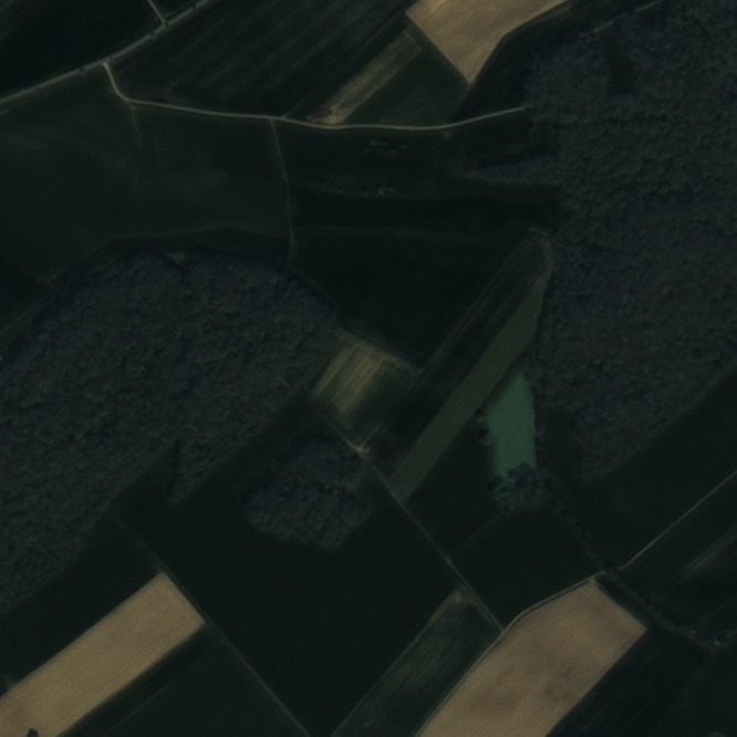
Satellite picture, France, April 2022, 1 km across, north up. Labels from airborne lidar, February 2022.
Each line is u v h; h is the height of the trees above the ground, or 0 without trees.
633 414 33
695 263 33
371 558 0
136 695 0
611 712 0
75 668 0
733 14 31
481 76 0
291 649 0
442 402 0
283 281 21
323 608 0
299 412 0
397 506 0
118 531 0
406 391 0
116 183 0
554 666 0
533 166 27
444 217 0
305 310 38
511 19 0
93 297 31
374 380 0
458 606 0
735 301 34
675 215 32
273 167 0
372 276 0
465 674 0
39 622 0
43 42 0
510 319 0
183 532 0
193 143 0
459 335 0
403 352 0
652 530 0
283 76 0
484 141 0
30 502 32
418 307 0
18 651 0
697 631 0
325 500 37
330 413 0
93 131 0
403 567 0
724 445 0
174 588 0
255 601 0
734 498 0
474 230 0
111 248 0
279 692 0
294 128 0
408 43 0
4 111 0
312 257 0
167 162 0
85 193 0
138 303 37
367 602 0
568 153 29
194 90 0
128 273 28
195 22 0
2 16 0
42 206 0
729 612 0
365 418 0
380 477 0
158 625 0
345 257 0
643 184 27
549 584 0
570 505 0
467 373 0
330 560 0
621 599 0
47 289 0
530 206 0
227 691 0
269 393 30
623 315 33
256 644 0
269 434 0
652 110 25
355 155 0
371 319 0
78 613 0
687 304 36
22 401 25
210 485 0
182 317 31
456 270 0
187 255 0
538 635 0
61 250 0
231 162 0
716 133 28
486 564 0
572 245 30
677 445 0
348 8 0
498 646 0
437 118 0
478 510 0
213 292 31
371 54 0
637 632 0
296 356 28
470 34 0
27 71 0
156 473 0
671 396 33
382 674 0
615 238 29
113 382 31
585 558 0
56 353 36
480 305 0
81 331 38
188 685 0
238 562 0
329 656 0
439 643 0
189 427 31
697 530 0
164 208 0
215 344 33
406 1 0
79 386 33
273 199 0
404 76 0
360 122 0
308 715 0
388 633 0
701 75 23
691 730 0
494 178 23
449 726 0
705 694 0
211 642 0
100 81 0
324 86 0
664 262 35
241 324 32
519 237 0
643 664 0
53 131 0
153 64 0
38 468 33
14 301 0
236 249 0
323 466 33
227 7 0
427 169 0
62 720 0
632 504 0
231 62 0
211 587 0
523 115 0
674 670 0
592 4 0
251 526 0
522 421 0
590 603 0
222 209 0
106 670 0
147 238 0
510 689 0
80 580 0
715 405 0
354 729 0
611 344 35
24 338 0
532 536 0
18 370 30
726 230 31
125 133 0
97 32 0
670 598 0
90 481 32
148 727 0
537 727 0
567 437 0
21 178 0
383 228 0
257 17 0
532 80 17
